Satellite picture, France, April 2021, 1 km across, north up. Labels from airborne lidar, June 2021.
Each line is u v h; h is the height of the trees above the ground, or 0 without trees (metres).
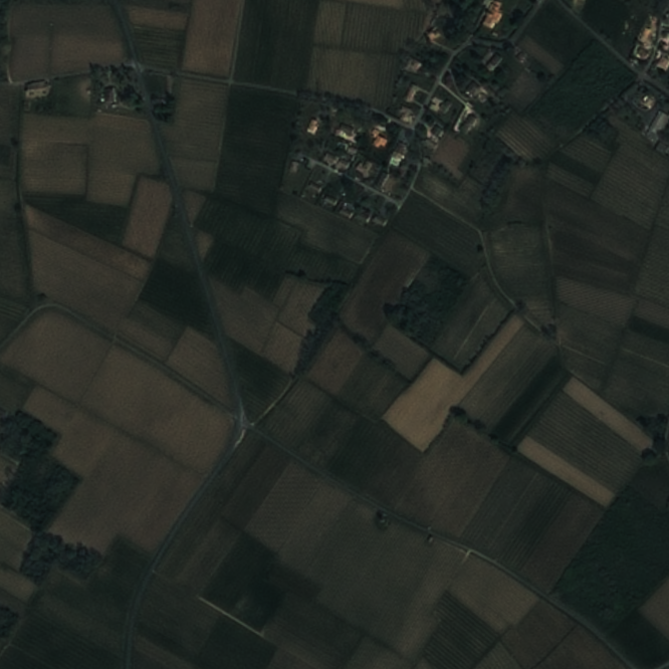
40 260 0
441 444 0
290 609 0
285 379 0
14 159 0
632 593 7
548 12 0
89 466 0
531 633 0
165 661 0
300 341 0
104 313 0
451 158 0
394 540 0
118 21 0
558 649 0
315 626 0
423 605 0
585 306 0
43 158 0
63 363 0
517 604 0
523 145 0
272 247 0
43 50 0
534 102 0
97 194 0
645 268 0
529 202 0
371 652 0
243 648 0
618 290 0
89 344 0
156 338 0
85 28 0
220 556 0
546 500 0
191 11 0
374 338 0
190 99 0
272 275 0
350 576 0
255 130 0
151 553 0
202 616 0
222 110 0
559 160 0
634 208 0
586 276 0
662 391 0
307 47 0
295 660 0
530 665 0
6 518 0
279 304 0
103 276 0
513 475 0
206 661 0
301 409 0
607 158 0
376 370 0
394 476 0
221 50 0
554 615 0
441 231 0
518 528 0
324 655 0
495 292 0
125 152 0
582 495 0
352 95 0
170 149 0
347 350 0
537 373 0
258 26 0
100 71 15
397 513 0
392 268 0
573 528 0
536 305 0
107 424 0
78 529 0
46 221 0
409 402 0
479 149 0
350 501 0
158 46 0
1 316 0
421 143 15
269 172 0
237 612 0
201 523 0
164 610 0
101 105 9
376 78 0
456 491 0
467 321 0
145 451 0
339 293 6
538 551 0
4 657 0
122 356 0
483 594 0
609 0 0
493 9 0
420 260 0
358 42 0
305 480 0
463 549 0
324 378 0
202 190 0
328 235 0
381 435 0
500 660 0
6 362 0
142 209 0
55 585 0
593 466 0
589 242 0
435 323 10
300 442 0
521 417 0
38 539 18
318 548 0
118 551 0
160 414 0
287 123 0
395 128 10
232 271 0
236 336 0
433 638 0
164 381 0
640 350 0
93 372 0
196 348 0
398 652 0
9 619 6
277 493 0
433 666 0
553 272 0
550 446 0
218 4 0
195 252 0
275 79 0
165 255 0
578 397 0
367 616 0
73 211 0
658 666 0
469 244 0
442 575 0
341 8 0
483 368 0
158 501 0
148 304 0
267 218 0
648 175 0
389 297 0
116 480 0
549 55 0
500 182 17
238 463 0
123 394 0
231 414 0
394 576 0
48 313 0
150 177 0
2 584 0
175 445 0
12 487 7
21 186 0
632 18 0
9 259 0
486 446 0
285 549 0
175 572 0
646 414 0
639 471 0
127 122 0
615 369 0
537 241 0
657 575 0
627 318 0
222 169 0
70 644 0
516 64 0
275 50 0
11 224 0
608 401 0
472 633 0
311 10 0
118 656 0
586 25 0
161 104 7
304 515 0
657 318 0
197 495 0
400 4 0
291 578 0
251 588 0
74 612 0
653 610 0
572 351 0
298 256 0
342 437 0
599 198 0
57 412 0
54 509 8
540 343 0
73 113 0
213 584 0
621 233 0
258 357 0
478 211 0
